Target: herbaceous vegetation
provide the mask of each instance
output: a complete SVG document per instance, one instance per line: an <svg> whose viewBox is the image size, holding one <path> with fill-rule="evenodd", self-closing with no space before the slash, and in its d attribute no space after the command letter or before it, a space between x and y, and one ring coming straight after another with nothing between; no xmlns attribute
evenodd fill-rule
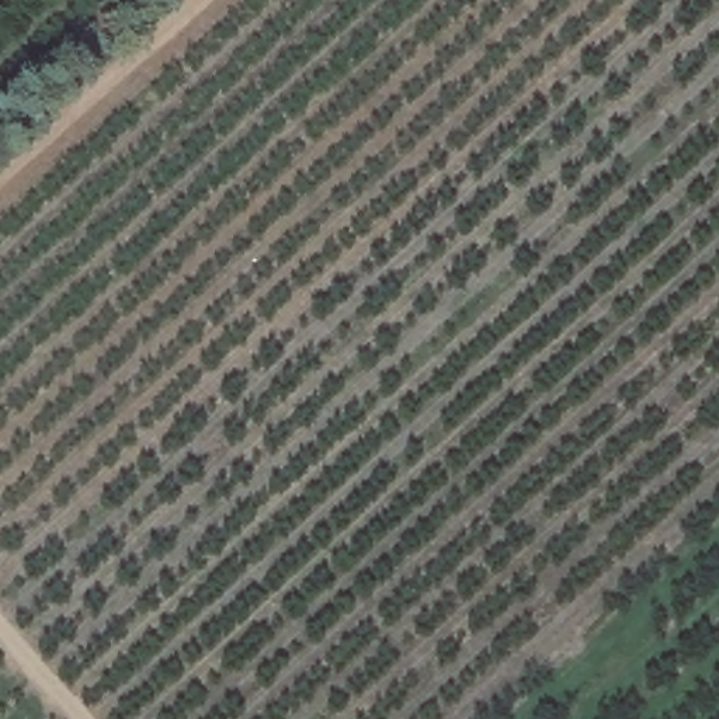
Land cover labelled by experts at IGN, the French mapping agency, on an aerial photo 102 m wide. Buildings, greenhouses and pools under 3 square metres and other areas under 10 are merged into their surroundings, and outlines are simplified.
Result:
<svg viewBox="0 0 719 719"><path fill-rule="evenodd" d="M629 90L601 104L593 115L598 129L609 129L612 115L632 112L632 107L643 101L643 95L674 70L677 56L694 51L699 42L708 39L711 31L719 28L719 14L711 8L688 34L666 42L649 59L649 65L632 79Z"/></svg>
<svg viewBox="0 0 719 719"><path fill-rule="evenodd" d="M556 609L562 607L556 601L559 581L581 559L593 556L601 542L607 542L612 525L624 522L638 506L646 503L649 494L660 492L666 483L677 477L680 469L668 461L663 472L640 483L640 489L632 497L626 497L618 506L618 511L607 514L601 522L590 514L593 500L607 497L607 492L598 486L590 486L581 497L570 500L556 514L548 514L542 508L548 497L542 492L528 497L522 508L514 511L514 520L528 522L534 528L534 539L511 553L508 565L522 576L536 579L536 590L528 598L511 601L483 629L494 638L517 615L522 615L522 609L531 609L536 629L550 624ZM559 534L567 522L587 525L584 542L579 542L562 562L553 562L545 570L534 567L534 556L542 553L548 539Z"/></svg>
<svg viewBox="0 0 719 719"><path fill-rule="evenodd" d="M183 67L183 81L169 95L157 95L152 81L143 84L129 101L140 112L138 124L124 129L104 154L93 157L87 169L81 169L67 185L62 185L48 202L42 202L42 208L17 233L0 239L0 261L11 250L31 244L37 230L53 216L59 216L59 211L79 194L79 188L84 188L87 180L112 166L118 157L124 157L163 118L163 112L180 107L183 95L197 81L222 67L239 45L250 39L250 34L256 34L270 17L275 17L292 0L267 0L261 11L256 11L253 20L239 25L239 31L227 37L216 53L205 56L199 67Z"/></svg>
<svg viewBox="0 0 719 719"><path fill-rule="evenodd" d="M62 388L73 385L79 374L90 374L112 345L124 340L129 329L149 317L157 303L169 301L169 295L180 284L197 275L202 261L208 261L216 250L227 247L233 236L239 236L250 225L250 219L270 199L281 194L281 188L292 185L301 171L306 171L317 157L323 157L329 146L343 140L343 135L354 132L357 124L368 121L371 112L379 110L407 79L418 76L427 62L435 59L435 51L449 45L466 28L469 20L483 14L483 8L492 0L475 0L463 6L458 17L452 17L430 42L418 45L416 53L404 59L390 73L390 79L379 84L357 110L343 115L320 138L303 140L303 152L295 154L289 166L267 188L261 188L236 216L230 216L230 222L225 222L213 233L213 239L197 244L197 250L183 261L180 270L169 272L160 286L154 286L129 315L118 317L112 329L90 348L84 348L62 374L56 374L51 385L39 388L22 410L8 413L6 424L0 427L0 449L11 444L17 430L28 427L39 416L45 402L56 399Z"/></svg>
<svg viewBox="0 0 719 719"><path fill-rule="evenodd" d="M121 289L132 284L126 281L126 275L110 281L110 286L87 303L81 315L70 317L45 343L34 345L31 357L0 382L0 402L6 402L8 393L17 390L25 379L31 379L56 348L73 343L79 329L90 326L90 320L118 298Z"/></svg>
<svg viewBox="0 0 719 719"><path fill-rule="evenodd" d="M688 402L697 410L719 388L719 368L713 368L705 360L694 374L688 374L688 379L697 388L688 396Z"/></svg>
<svg viewBox="0 0 719 719"><path fill-rule="evenodd" d="M244 663L244 668L233 674L233 685L244 697L244 708L236 719L250 719L261 713L270 699L281 697L281 691L292 685L292 680L312 663L326 666L326 652L334 643L340 643L340 635L354 629L362 618L374 618L376 632L390 638L390 643L399 649L399 660L382 677L376 677L360 697L351 697L340 711L329 708L329 694L317 688L315 697L298 708L298 719L354 719L360 711L368 711L376 702L376 697L385 697L393 680L402 680L407 671L416 668L410 652L416 638L421 635L416 618L421 609L410 604L396 624L390 624L379 612L382 598L399 587L402 579L410 579L418 565L435 559L438 550L461 528L472 525L472 517L486 517L492 511L494 497L503 497L528 466L542 463L548 449L565 433L579 433L579 421L590 416L595 407L609 404L615 410L612 427L615 433L621 433L626 424L643 418L643 410L649 404L654 404L652 393L643 390L635 404L626 404L618 396L618 388L624 382L612 371L584 402L567 407L553 427L542 430L539 438L522 449L522 455L511 466L506 466L497 475L497 480L483 486L483 492L475 494L469 503L463 503L458 514L447 517L444 525L418 550L407 553L385 581L379 581L365 598L357 598L348 612L343 612L323 632L320 640L312 640L306 635L306 624L298 618L284 624ZM272 657L275 649L284 649L292 640L303 640L306 649L289 657L270 685L261 685L261 680L256 677L258 663Z"/></svg>
<svg viewBox="0 0 719 719"><path fill-rule="evenodd" d="M110 618L126 612L138 601L138 595L149 584L154 584L157 607L135 618L126 626L124 638L112 640L107 652L101 652L67 685L73 694L81 697L84 688L101 680L104 668L110 668L121 654L126 654L129 646L146 629L157 626L166 612L174 612L185 595L194 595L197 584L202 584L211 576L211 570L219 562L225 562L236 548L242 548L244 539L258 534L258 528L278 508L298 497L326 466L331 466L340 458L343 449L360 441L365 433L376 430L382 413L396 410L410 390L427 382L435 368L441 368L449 360L452 351L477 337L483 326L494 323L525 286L536 284L536 278L548 272L556 256L570 253L593 225L604 222L604 216L612 208L626 202L632 188L649 183L649 174L657 166L668 163L668 157L697 132L697 126L711 126L719 118L719 51L688 84L680 84L671 95L666 95L657 104L657 110L649 118L635 124L601 160L584 166L570 185L565 185L562 177L562 160L548 154L528 174L528 180L514 183L506 191L506 199L494 205L469 233L461 233L452 242L447 242L444 253L435 261L410 275L402 284L399 298L393 298L385 306L385 312L371 317L357 315L368 286L379 284L382 275L410 264L421 250L427 250L433 233L447 230L455 222L458 208L472 199L477 188L486 188L508 171L492 163L483 174L472 174L472 169L466 166L469 154L480 152L489 135L494 135L503 124L514 121L514 115L531 104L536 93L553 87L553 81L565 84L565 98L570 101L581 101L601 90L612 73L626 67L629 53L649 45L654 34L666 31L668 20L674 20L682 0L668 0L663 3L654 22L635 31L626 22L626 17L638 0L621 0L604 20L598 20L587 34L581 34L570 48L565 48L559 59L548 62L536 79L525 81L525 87L508 104L503 104L463 146L455 149L447 140L447 135L466 121L466 115L480 104L480 98L486 98L497 84L503 84L528 56L539 53L545 42L562 31L562 25L570 17L579 17L595 0L570 0L548 22L542 22L542 28L534 37L522 39L517 51L506 53L506 62L489 73L489 79L472 81L469 95L458 107L452 107L410 152L390 163L374 183L368 183L357 197L351 197L348 205L331 213L312 239L306 239L267 278L261 278L261 284L244 298L239 292L239 275L250 272L253 264L261 256L267 256L267 250L286 230L303 222L312 211L323 208L323 202L340 183L351 180L351 174L357 174L365 166L368 157L379 154L390 140L396 140L399 129L404 129L427 104L438 98L444 84L458 81L466 70L472 70L492 42L500 42L506 31L517 28L542 0L517 0L517 6L506 8L500 20L489 25L466 53L461 53L438 79L433 79L424 87L421 95L402 104L385 129L374 132L315 191L303 194L289 213L278 216L197 298L191 298L180 315L166 320L149 340L138 343L135 351L104 382L98 382L62 418L56 418L51 430L42 433L51 444L56 444L70 427L79 424L79 418L84 418L107 396L112 396L121 382L132 379L140 371L143 360L157 357L157 351L169 340L174 340L177 331L191 320L202 326L202 337L154 376L163 388L174 382L180 371L199 362L202 351L244 315L250 315L256 326L264 323L267 317L261 315L258 301L267 298L270 289L278 286L284 278L289 278L309 256L323 250L323 244L331 236L351 225L351 219L362 208L368 208L371 199L376 199L385 191L385 185L390 185L402 171L418 166L433 146L449 154L447 163L421 177L416 188L407 191L407 197L390 213L379 216L362 236L371 244L376 239L390 239L393 225L399 225L413 211L413 205L427 197L427 191L438 188L441 180L458 171L463 171L466 180L461 183L455 199L435 211L435 216L418 233L413 233L404 247L399 247L388 261L357 278L351 295L343 303L337 303L326 317L317 317L312 306L303 309L298 320L289 326L292 340L270 365L256 368L253 360L244 362L242 371L247 376L247 385L236 399L225 399L222 385L211 393L211 399L216 399L216 407L208 413L205 427L188 441L194 455L205 455L202 477L183 486L183 492L171 503L157 506L146 520L140 520L115 553L110 553L93 573L73 581L67 601L48 604L48 609L37 615L31 626L22 629L25 640L37 646L45 626L51 626L56 618L70 618L76 624L76 635L59 643L56 652L45 660L59 674L62 663L73 652L84 649L93 632L107 629ZM598 45L618 28L626 39L609 51L601 73L590 76L581 67L584 48ZM570 222L565 216L567 205L581 194L581 188L593 183L593 177L609 171L621 154L632 169L626 180L618 188L612 188L595 211L590 211L579 222ZM556 191L550 208L536 216L525 205L525 199L534 188L545 183L553 183ZM506 216L517 222L517 236L506 247L500 247L494 239L494 225ZM545 239L548 247L528 272L520 272L511 264L514 253L534 239ZM368 410L368 416L360 424L354 424L345 435L340 435L315 463L309 463L303 475L298 475L286 489L281 489L264 506L258 506L250 522L244 522L216 553L205 556L202 567L188 573L171 593L166 593L160 581L163 567L180 567L208 525L222 525L225 517L236 508L236 503L264 489L270 483L272 469L286 466L289 455L295 455L303 444L315 441L337 410L343 410L351 399L379 388L382 374L399 365L402 357L407 357L407 351L396 343L390 354L379 357L368 371L348 379L343 390L334 393L306 427L292 430L292 435L275 452L264 444L267 430L281 418L292 416L295 407L303 399L309 399L329 374L337 374L340 368L354 362L362 345L374 345L379 326L402 320L413 306L416 295L427 284L444 281L452 270L455 256L472 244L477 244L489 256L483 270L472 272L463 286L447 289L438 298L438 306L452 315L463 303L469 303L483 286L492 289L494 301L483 312L477 312L463 329L458 329L438 348L438 354L416 365L393 388L393 393L379 399ZM298 382L298 388L278 399L258 421L247 421L247 433L242 441L227 441L225 418L230 413L242 413L244 402L258 396L272 382L272 376L278 376L284 365L298 357L301 348L306 348L309 343L320 343L326 337L331 340L331 351L320 360L320 365L312 368ZM253 477L247 483L239 483L230 494L219 497L216 506L208 503L205 494L213 486L216 475L230 469L236 458L244 458L253 466ZM174 548L152 559L132 584L124 584L118 579L118 565L126 556L143 553L143 548L149 545L149 534L154 528L171 525L180 534Z"/></svg>
<svg viewBox="0 0 719 719"><path fill-rule="evenodd" d="M371 70L393 45L410 39L416 25L447 0L421 0L421 6L413 14L407 14L396 28L388 28L376 37L371 53L348 65L348 70L326 87L329 98L334 98L354 79Z"/></svg>
<svg viewBox="0 0 719 719"><path fill-rule="evenodd" d="M688 208L685 216L674 222L674 227L646 256L640 256L624 272L624 278L618 278L601 295L595 295L595 301L584 312L579 312L567 326L562 326L556 337L550 337L539 351L534 351L452 430L441 421L441 410L475 376L497 365L497 360L506 351L511 351L511 345L531 326L536 326L545 315L550 315L559 306L559 301L573 295L581 284L587 284L598 267L609 264L609 258L618 250L624 250L640 233L640 227L646 227L657 213L674 208L685 197L691 180L708 174L719 160L719 143L711 146L691 169L685 169L663 194L657 194L646 211L635 213L635 219L621 230L621 236L607 242L587 264L581 264L570 275L570 281L559 284L528 317L522 317L511 331L506 331L483 357L469 362L469 368L447 390L435 393L413 421L402 424L402 430L390 441L374 449L360 463L360 469L351 472L334 492L329 492L301 522L295 522L286 536L278 536L261 559L247 565L247 570L239 573L222 595L205 604L154 654L149 654L140 668L135 668L124 682L118 682L110 694L121 699L143 680L149 680L160 660L171 657L185 640L191 640L199 632L199 626L208 618L219 615L250 581L264 579L272 562L286 548L298 545L303 534L312 534L312 528L323 517L329 517L334 506L340 506L362 480L371 477L376 463L402 455L410 435L421 438L424 452L416 463L402 469L365 508L360 508L351 517L351 522L343 531L331 534L331 539L323 548L317 548L258 607L253 607L239 624L219 635L216 643L199 660L185 666L180 677L174 677L160 694L154 694L154 699L149 699L129 719L157 719L160 708L174 702L174 697L191 680L202 682L208 671L213 671L222 663L227 643L239 640L256 621L272 618L289 590L301 587L303 579L320 562L329 562L340 545L348 545L351 536L374 514L388 508L399 492L410 486L410 480L416 480L430 463L447 455L449 447L458 447L461 435L477 427L477 421L489 416L508 393L522 390L531 382L531 374L556 351L562 351L565 343L576 340L584 326L593 326L601 317L618 320L618 315L612 312L615 298L635 289L643 272L660 261L666 250L685 239L691 244L691 256L685 258L685 264L674 275L668 275L654 292L649 292L632 309L632 315L618 320L595 343L593 351L581 354L556 379L553 388L534 396L486 447L480 447L461 469L449 472L438 489L433 489L424 497L424 503L413 506L345 573L340 573L329 587L323 587L306 604L306 609L317 612L340 590L351 587L360 570L371 567L385 550L390 550L407 528L418 522L418 517L430 514L435 503L447 500L452 486L466 486L466 477L475 469L480 469L486 458L497 455L506 447L511 433L522 433L525 418L536 418L542 404L550 404L559 396L565 396L573 376L598 365L601 357L607 357L618 345L618 337L629 337L632 331L638 331L640 320L652 306L668 298L682 281L688 281L697 272L699 264L711 261L719 250L719 230L711 233L705 244L699 244L691 230L711 213L711 208L719 205L719 199L708 194L699 205Z"/></svg>

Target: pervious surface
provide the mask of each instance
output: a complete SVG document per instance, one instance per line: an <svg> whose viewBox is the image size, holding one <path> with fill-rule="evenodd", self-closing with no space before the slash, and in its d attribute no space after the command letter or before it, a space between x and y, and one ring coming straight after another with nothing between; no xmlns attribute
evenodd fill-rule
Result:
<svg viewBox="0 0 719 719"><path fill-rule="evenodd" d="M98 719L81 702L81 697L73 694L67 685L59 674L45 660L37 646L25 640L22 629L0 609L0 649L6 654L8 671L22 674L28 680L28 688L39 694L42 705L65 719Z"/></svg>
<svg viewBox="0 0 719 719"><path fill-rule="evenodd" d="M0 169L0 213L17 205L31 185L42 180L42 174L53 169L62 152L84 140L115 107L129 101L143 84L152 81L154 76L160 76L169 59L183 56L188 42L211 31L239 0L183 0L177 11L166 14L157 22L154 34L140 37L140 42L124 59L104 65L101 76L93 84L84 84L79 98L62 107L51 129L39 135L17 157L11 157L6 169Z"/></svg>

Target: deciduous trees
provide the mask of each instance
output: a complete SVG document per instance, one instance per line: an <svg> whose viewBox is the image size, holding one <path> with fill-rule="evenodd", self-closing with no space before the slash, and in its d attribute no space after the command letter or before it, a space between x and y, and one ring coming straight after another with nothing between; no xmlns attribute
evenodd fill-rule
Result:
<svg viewBox="0 0 719 719"><path fill-rule="evenodd" d="M379 326L374 345L362 345L354 362L340 368L337 374L329 374L309 399L303 399L295 407L292 416L281 418L267 430L264 444L275 452L292 435L292 430L306 427L334 393L343 390L348 379L368 371L379 357L390 354L396 343L407 351L407 357L402 357L399 365L382 374L379 388L351 399L343 410L337 410L315 441L303 444L295 455L289 455L286 466L272 469L270 483L264 489L236 503L236 508L225 517L222 525L208 525L180 567L163 567L160 581L166 593L171 593L188 573L202 567L205 556L216 553L244 522L250 522L258 506L264 506L281 489L286 489L298 475L303 475L309 463L315 463L340 435L345 435L354 424L360 424L368 416L368 410L379 399L393 393L393 388L416 365L438 354L438 348L458 329L463 329L477 312L483 312L494 301L492 289L483 286L469 303L463 303L452 315L438 306L438 298L447 289L463 286L472 272L483 270L489 256L477 244L472 244L455 256L452 270L444 281L427 284L416 295L413 306L402 320Z"/></svg>
<svg viewBox="0 0 719 719"><path fill-rule="evenodd" d="M323 517L312 528L312 534L303 534L298 545L286 548L272 562L264 579L250 581L219 615L208 618L199 626L199 632L191 640L185 640L171 657L160 660L149 680L143 680L121 699L110 694L118 682L124 682L135 668L140 668L149 654L154 654L205 604L222 595L239 573L247 570L247 565L261 559L278 536L286 536L295 522L301 522L329 492L334 492L351 472L360 469L360 463L374 449L390 441L402 430L402 424L413 421L435 393L447 390L469 368L469 362L483 357L506 331L511 331L522 317L528 317L559 284L570 281L570 275L581 264L587 264L607 242L621 236L621 230L635 219L635 213L646 211L657 194L663 194L685 169L691 169L711 146L719 143L719 118L711 126L697 126L697 132L668 157L668 163L657 166L649 174L649 183L632 188L626 202L612 208L604 216L604 222L593 225L570 253L556 256L548 272L536 278L536 284L525 286L494 323L483 326L477 337L452 351L449 360L441 368L435 368L427 382L410 390L396 410L382 413L376 430L365 433L360 441L343 449L340 458L331 466L326 466L298 497L278 508L258 528L258 534L244 539L242 548L236 548L225 562L219 562L211 570L211 576L202 584L197 584L194 595L185 595L174 612L166 612L157 626L146 629L129 646L126 654L121 654L110 668L104 668L101 680L84 688L81 697L81 702L98 719L129 719L149 699L154 699L154 694L160 694L174 677L180 677L185 666L199 660L216 643L219 635L239 624L253 607L258 607L317 548L323 548L331 539L331 534L343 531L351 522L351 517L360 508L365 508L402 469L416 463L424 452L421 438L410 435L402 455L376 463L371 477L362 480L340 506L334 506L329 517Z"/></svg>
<svg viewBox="0 0 719 719"><path fill-rule="evenodd" d="M719 230L719 205L711 208L711 213L691 230L699 244L705 244L711 233Z"/></svg>
<svg viewBox="0 0 719 719"><path fill-rule="evenodd" d="M598 267L587 284L581 284L573 295L559 301L559 306L550 315L545 315L536 326L531 326L511 345L511 351L506 351L497 360L497 365L475 376L441 410L441 421L452 430L534 351L539 351L550 337L556 337L562 326L567 326L579 312L584 312L595 301L595 295L601 295L618 278L624 278L624 272L640 256L646 256L674 227L674 222L685 216L688 208L699 205L708 194L719 199L719 160L708 174L691 180L685 197L674 208L657 213L646 227L640 227L640 233L624 250L618 250L609 258L609 264Z"/></svg>
<svg viewBox="0 0 719 719"><path fill-rule="evenodd" d="M236 399L247 385L247 376L242 371L244 362L253 360L256 368L270 365L292 340L289 326L298 320L303 309L312 306L317 317L326 317L337 303L343 303L351 295L357 278L388 261L399 247L404 247L413 233L418 233L435 216L435 211L455 199L461 183L466 180L463 171L458 171L441 180L438 188L427 191L427 197L413 205L413 211L399 225L393 225L390 239L376 239L371 244L362 236L379 216L390 213L407 197L407 191L416 188L421 177L447 163L449 154L433 146L418 166L402 171L390 185L385 185L385 191L376 199L371 199L368 208L362 208L351 219L351 225L331 236L323 244L323 250L309 256L289 278L284 278L278 286L270 289L267 298L258 301L261 315L267 317L264 323L256 326L250 315L244 315L202 351L199 362L180 371L174 382L163 388L154 376L202 337L202 326L191 320L177 331L174 340L169 340L157 351L157 357L143 360L140 371L132 379L121 382L112 396L107 396L84 418L79 418L79 424L70 427L56 444L51 444L42 433L51 430L56 418L62 418L98 382L104 382L135 351L138 343L149 340L166 320L180 315L191 298L197 298L278 216L289 213L303 194L315 191L374 132L385 129L402 104L421 95L424 87L433 79L438 79L461 53L466 53L489 25L500 20L506 8L517 6L517 0L492 0L483 8L483 14L469 20L466 28L449 45L435 51L435 59L427 62L418 76L407 79L379 110L371 112L368 121L357 124L354 132L343 135L343 140L329 146L323 157L317 157L306 171L301 171L292 185L281 188L281 194L270 199L250 219L250 225L239 236L233 236L227 247L216 250L208 261L202 261L197 275L180 284L169 295L169 301L157 303L149 317L129 329L124 340L112 345L90 374L79 374L73 385L62 388L56 399L45 402L39 416L28 427L17 430L11 444L0 449L0 609L22 629L31 626L37 615L48 609L48 604L67 601L73 581L93 573L110 553L115 553L140 520L146 520L157 506L171 503L183 492L183 486L202 477L205 455L194 455L188 441L205 427L208 413L216 407L216 399L211 399L211 393L222 385L225 399Z"/></svg>
<svg viewBox="0 0 719 719"><path fill-rule="evenodd" d="M239 292L244 298L261 284L261 278L267 278L306 239L312 239L331 213L348 205L351 197L357 197L368 183L374 183L390 163L410 152L452 107L458 107L469 95L472 81L489 79L489 73L506 62L506 53L517 51L522 39L534 37L542 28L542 22L548 22L570 0L542 0L517 28L506 31L500 42L492 42L472 70L466 70L458 81L444 84L438 98L427 104L404 129L399 129L396 140L390 140L379 154L368 157L365 166L357 174L351 174L351 180L340 183L323 202L323 208L312 211L303 222L286 230L267 250L267 256L261 256L253 264L250 272L239 275Z"/></svg>
<svg viewBox="0 0 719 719"><path fill-rule="evenodd" d="M584 48L581 67L590 76L601 73L609 51L626 39L618 28L598 45Z"/></svg>
<svg viewBox="0 0 719 719"><path fill-rule="evenodd" d="M666 31L654 34L649 45L629 53L626 67L612 73L601 90L581 101L570 101L565 98L565 84L553 81L553 87L536 93L531 104L514 115L514 121L503 124L494 135L489 135L480 152L469 154L466 166L472 169L472 174L483 174L492 163L508 171L486 188L477 188L472 199L458 208L455 222L447 230L433 233L427 250L421 250L410 264L382 275L379 284L368 286L357 315L371 317L385 312L385 306L393 298L399 298L402 284L410 275L435 261L444 253L447 242L452 242L461 233L469 233L494 205L506 199L506 191L514 183L528 180L528 174L548 154L562 160L562 177L565 185L570 185L584 166L601 160L635 124L649 118L657 110L657 104L666 95L671 95L680 84L688 84L719 51L719 28L711 31L708 39L699 42L694 51L677 56L674 70L643 95L643 101L632 107L632 112L612 115L609 129L598 129L593 115L601 104L629 90L632 79L649 65L649 59L666 42L688 34L711 8L719 14L719 0L682 0L674 20L668 20Z"/></svg>
<svg viewBox="0 0 719 719"><path fill-rule="evenodd" d="M612 188L618 188L626 180L632 169L621 154L609 171L593 177L593 183L581 188L581 194L567 205L565 216L570 222L579 222L590 211L595 211Z"/></svg>
<svg viewBox="0 0 719 719"><path fill-rule="evenodd" d="M719 368L719 250L711 261L699 264L697 272L688 281L682 281L668 298L652 306L640 320L638 331L632 331L629 337L618 337L618 345L607 357L601 357L598 365L573 376L565 396L559 396L550 404L542 404L536 418L525 418L522 433L511 433L506 447L497 455L486 458L480 469L475 469L466 477L466 486L452 486L447 500L435 503L430 514L418 517L418 522L407 528L390 550L385 550L371 567L360 570L351 587L340 590L317 612L306 609L306 604L323 587L329 587L340 573L345 573L413 506L424 503L424 497L433 489L438 489L449 472L461 469L480 447L486 447L534 396L553 388L556 379L581 354L593 351L595 343L618 320L601 317L593 326L584 326L576 340L565 343L562 351L556 351L531 374L531 382L522 390L508 393L489 416L477 421L477 427L461 435L458 447L449 447L447 455L430 463L416 480L410 480L410 486L399 492L388 508L374 514L351 536L348 545L340 545L329 562L320 562L303 579L301 587L289 590L272 618L256 621L239 640L227 643L222 663L213 671L208 671L202 682L191 680L174 697L174 702L160 708L157 719L236 719L244 708L244 697L233 685L233 674L244 668L244 663L284 624L298 618L306 624L306 635L312 640L320 640L323 632L343 612L348 612L357 598L365 598L379 581L385 581L407 553L418 550L444 525L447 517L458 514L463 503L469 503L475 494L483 492L483 486L497 480L497 475L506 466L511 466L522 455L522 449L539 438L542 430L553 427L567 407L584 402L612 371L624 382L618 388L618 396L626 404L635 404L643 390L652 393L654 404L649 404L643 410L643 418L626 424L621 433L615 433L612 427L615 410L609 404L595 407L590 416L579 421L579 433L565 433L548 449L542 463L528 466L503 497L494 497L492 511L486 517L472 517L472 525L461 528L438 550L435 559L418 565L410 579L402 579L399 587L382 598L379 612L390 624L396 624L410 604L421 609L416 618L421 635L416 638L410 652L416 668L407 671L402 680L393 680L385 697L376 697L376 702L368 711L360 711L354 719L719 719L719 388L697 410L688 402L688 396L697 388L688 379L688 374L694 374L705 360L713 368ZM570 500L581 497L590 486L598 486L607 492L607 497L593 500L590 514L601 522L607 514L618 511L618 506L626 497L632 497L640 489L640 483L663 472L668 461L680 469L677 477L666 483L660 492L649 494L646 503L638 506L624 522L612 525L607 542L601 542L593 556L581 559L559 581L556 601L562 607L556 609L550 624L536 629L531 609L522 609L522 615L517 615L494 638L483 629L511 601L528 598L536 590L536 579L522 576L508 565L511 553L534 539L534 528L528 522L514 520L514 511L522 508L528 497L542 492L548 497L542 508L548 514L556 514Z"/></svg>
<svg viewBox="0 0 719 719"><path fill-rule="evenodd" d="M497 84L486 98L480 98L480 104L466 115L466 121L447 135L447 140L455 149L463 146L503 104L508 104L525 87L525 81L536 79L548 62L559 59L565 48L570 48L581 34L587 34L598 20L604 20L621 0L595 0L579 17L570 17L562 25L562 31L545 42L539 53L528 56L503 84Z"/></svg>
<svg viewBox="0 0 719 719"><path fill-rule="evenodd" d="M685 264L685 258L691 256L691 244L685 239L666 250L660 261L643 272L635 289L615 298L612 312L618 315L618 320L632 315L632 309L649 292L654 292L668 275L674 275Z"/></svg>
<svg viewBox="0 0 719 719"><path fill-rule="evenodd" d="M553 183L545 183L534 188L525 199L525 205L536 216L550 208L556 191Z"/></svg>
<svg viewBox="0 0 719 719"><path fill-rule="evenodd" d="M253 466L244 458L236 458L230 469L216 475L213 486L205 494L208 503L216 506L219 497L230 494L239 483L247 483L253 477Z"/></svg>
<svg viewBox="0 0 719 719"><path fill-rule="evenodd" d="M284 365L278 376L272 376L272 382L258 396L244 402L242 413L230 413L225 418L227 441L242 441L247 433L247 421L258 421L278 399L298 388L298 382L312 368L320 365L320 360L331 351L331 340L326 337L320 343L309 343L306 348L301 348L298 357Z"/></svg>
<svg viewBox="0 0 719 719"><path fill-rule="evenodd" d="M548 247L545 239L534 239L514 253L511 264L520 272L528 272Z"/></svg>
<svg viewBox="0 0 719 719"><path fill-rule="evenodd" d="M17 157L39 135L51 129L62 107L79 98L84 84L93 84L101 76L104 65L124 59L140 42L140 37L154 34L157 22L166 14L177 11L183 0L0 0L0 169L6 169L11 157Z"/></svg>
<svg viewBox="0 0 719 719"><path fill-rule="evenodd" d="M303 640L292 640L284 649L275 649L272 657L258 663L256 677L261 680L261 685L270 685L289 657L306 649Z"/></svg>
<svg viewBox="0 0 719 719"><path fill-rule="evenodd" d="M548 539L542 553L534 556L534 567L545 570L553 562L562 562L579 542L584 542L587 525L567 522L559 534Z"/></svg>
<svg viewBox="0 0 719 719"><path fill-rule="evenodd" d="M45 660L56 652L59 643L76 635L76 624L70 618L56 618L51 626L45 626L37 646Z"/></svg>
<svg viewBox="0 0 719 719"><path fill-rule="evenodd" d="M626 22L635 31L654 22L663 3L668 0L638 0L626 17Z"/></svg>
<svg viewBox="0 0 719 719"><path fill-rule="evenodd" d="M239 0L211 31L188 42L183 56L169 59L160 76L154 76L152 81L157 95L169 95L183 81L183 67L199 67L205 56L216 53L227 37L239 31L239 25L253 20L256 11L261 11L267 0Z"/></svg>
<svg viewBox="0 0 719 719"><path fill-rule="evenodd" d="M494 239L500 247L506 247L517 236L517 222L506 216L494 225Z"/></svg>
<svg viewBox="0 0 719 719"><path fill-rule="evenodd" d="M59 674L67 685L101 652L107 652L112 640L124 638L126 626L135 618L157 607L154 584L149 584L138 595L138 601L126 612L110 618L107 629L93 632L84 649L73 652L62 663Z"/></svg>
<svg viewBox="0 0 719 719"><path fill-rule="evenodd" d="M132 584L152 559L174 548L180 534L171 525L154 528L149 534L149 545L143 548L143 553L126 556L118 565L118 579L124 584Z"/></svg>
<svg viewBox="0 0 719 719"><path fill-rule="evenodd" d="M22 674L8 671L6 654L0 649L0 719L65 719L42 705L39 694L28 688L28 680Z"/></svg>
<svg viewBox="0 0 719 719"><path fill-rule="evenodd" d="M110 286L110 281L126 275L126 281L132 284L121 289L118 298L90 320L90 326L79 329L73 343L56 348L31 379L25 379L17 390L8 393L6 402L0 402L0 427L6 424L8 413L22 410L39 388L51 385L56 374L62 374L84 348L90 348L112 329L118 317L129 315L154 286L160 286L169 272L180 270L183 261L197 250L197 244L213 239L213 233L225 222L230 222L230 216L236 216L261 188L267 188L289 166L295 154L303 152L303 140L320 138L343 115L357 110L379 84L390 79L390 73L404 59L416 53L418 45L430 42L452 17L458 17L463 6L475 0L447 0L416 25L410 39L393 45L371 70L354 79L334 98L329 98L326 87L348 70L348 65L371 53L376 37L388 28L396 28L407 14L413 14L421 6L421 0L292 0L275 17L270 17L256 34L250 34L250 39L239 45L222 67L197 81L183 95L180 107L163 112L163 118L124 157L118 157L112 166L87 180L84 188L79 188L79 194L59 211L59 216L53 216L37 230L31 244L11 250L0 261L0 382L31 357L34 345L45 343L70 317L81 315L87 303Z"/></svg>
<svg viewBox="0 0 719 719"><path fill-rule="evenodd" d="M281 691L281 697L270 699L261 713L250 719L298 719L298 708L315 697L317 688L329 694L329 708L340 711L351 697L360 697L376 677L382 677L399 660L399 649L390 643L390 638L376 632L374 618L362 618L354 629L340 635L340 643L334 643L326 652L326 666L312 663L292 680L292 685Z"/></svg>
<svg viewBox="0 0 719 719"><path fill-rule="evenodd" d="M42 180L31 185L17 205L0 213L0 239L17 233L42 208L42 202L48 202L62 185L67 185L81 169L87 169L93 157L104 154L124 129L138 124L140 112L129 101L115 107L84 140L62 152L53 169L42 174Z"/></svg>

